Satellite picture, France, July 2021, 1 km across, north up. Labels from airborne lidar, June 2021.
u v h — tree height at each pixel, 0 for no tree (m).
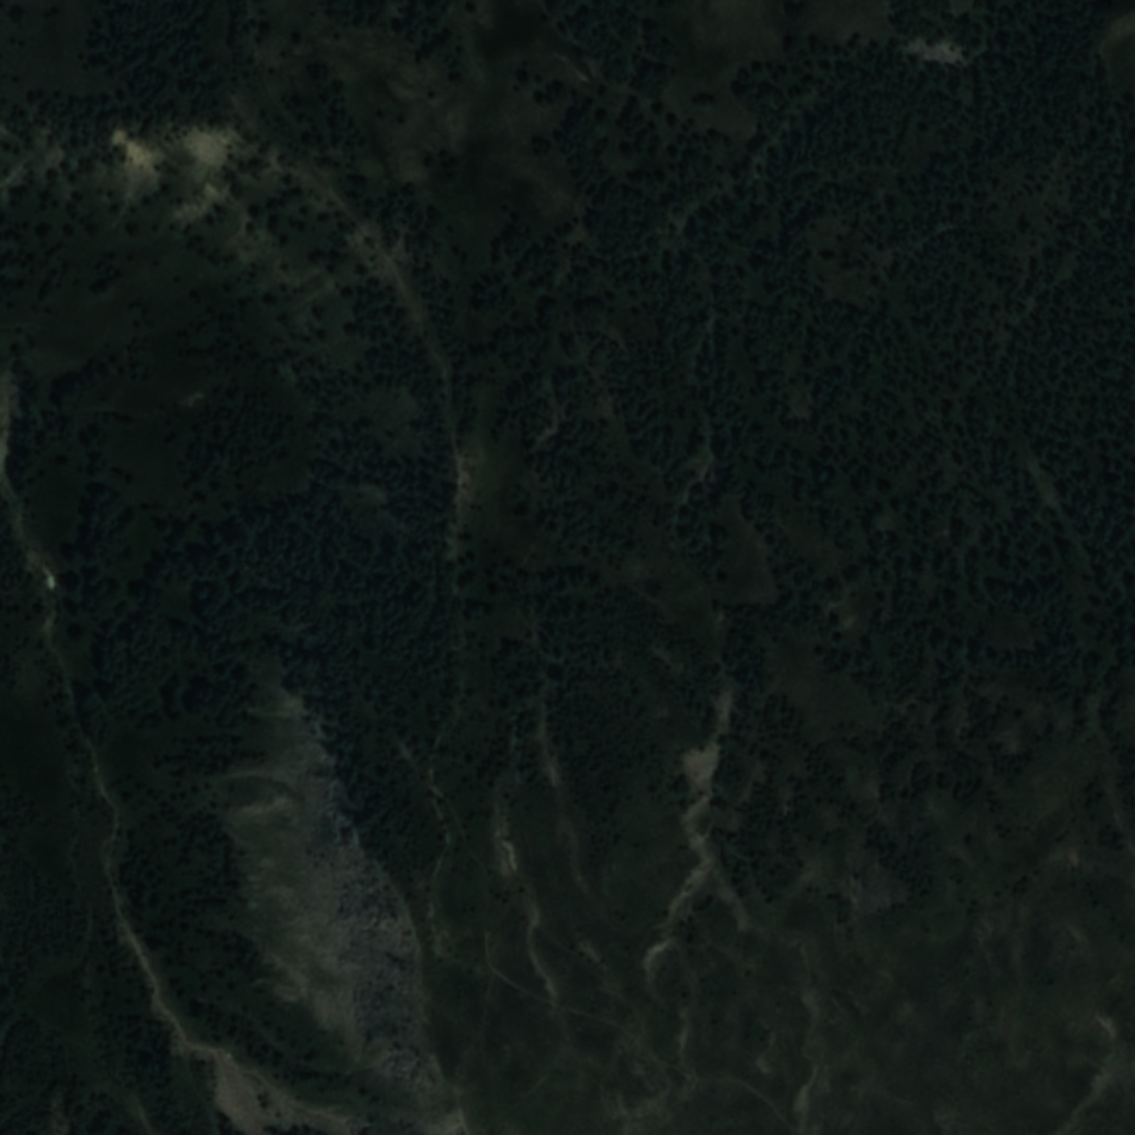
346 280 0
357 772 14
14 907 6
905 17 17
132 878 6
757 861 8
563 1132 0
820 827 0
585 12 19
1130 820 0
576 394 10
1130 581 16
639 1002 0
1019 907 0
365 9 19
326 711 7
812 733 0
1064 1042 0
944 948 0
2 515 13
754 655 8
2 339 0
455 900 0
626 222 18
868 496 17
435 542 8
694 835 0
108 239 0
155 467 0
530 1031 0
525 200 0
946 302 13
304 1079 9
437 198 0
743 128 0
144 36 21
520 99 0
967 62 12
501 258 11
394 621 19
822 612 15
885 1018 0
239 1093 0
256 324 0
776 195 17
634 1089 0
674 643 8
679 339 10
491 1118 0
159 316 0
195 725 0
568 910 0
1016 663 10
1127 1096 0
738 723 7
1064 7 16
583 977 0
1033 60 10
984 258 9
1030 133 17
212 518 0
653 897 0
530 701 10
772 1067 0
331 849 0
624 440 0
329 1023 0
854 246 0
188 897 7
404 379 8
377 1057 0
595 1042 0
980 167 16
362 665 11
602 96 7
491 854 0
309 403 7
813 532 0
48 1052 8
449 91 0
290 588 10
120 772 0
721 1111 0
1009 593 20
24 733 0
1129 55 0
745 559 0
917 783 8
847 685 0
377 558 14
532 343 18
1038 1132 0
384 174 0
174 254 0
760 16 0
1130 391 20
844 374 17
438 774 8
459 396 14
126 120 8
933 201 15
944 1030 0
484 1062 0
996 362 17
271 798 0
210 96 6
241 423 14
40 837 0
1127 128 10
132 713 19
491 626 0
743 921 0
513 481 0
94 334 0
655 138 16
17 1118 7
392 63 0
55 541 0
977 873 0
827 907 0
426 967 0
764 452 18
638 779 0
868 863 0
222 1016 7
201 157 0
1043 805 0
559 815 0
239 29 13
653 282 19
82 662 0
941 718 9
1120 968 0
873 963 0
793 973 0
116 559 22
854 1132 0
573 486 10
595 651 11
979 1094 0
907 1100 0
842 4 0
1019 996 0
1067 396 11
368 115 0
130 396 0
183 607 0
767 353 12
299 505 18
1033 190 15
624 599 9
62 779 0
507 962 0
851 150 14
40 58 0
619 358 12
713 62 0
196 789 8
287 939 0
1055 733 9
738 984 0
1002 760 6
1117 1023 0
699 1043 0
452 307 8
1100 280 12
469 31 0
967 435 20
